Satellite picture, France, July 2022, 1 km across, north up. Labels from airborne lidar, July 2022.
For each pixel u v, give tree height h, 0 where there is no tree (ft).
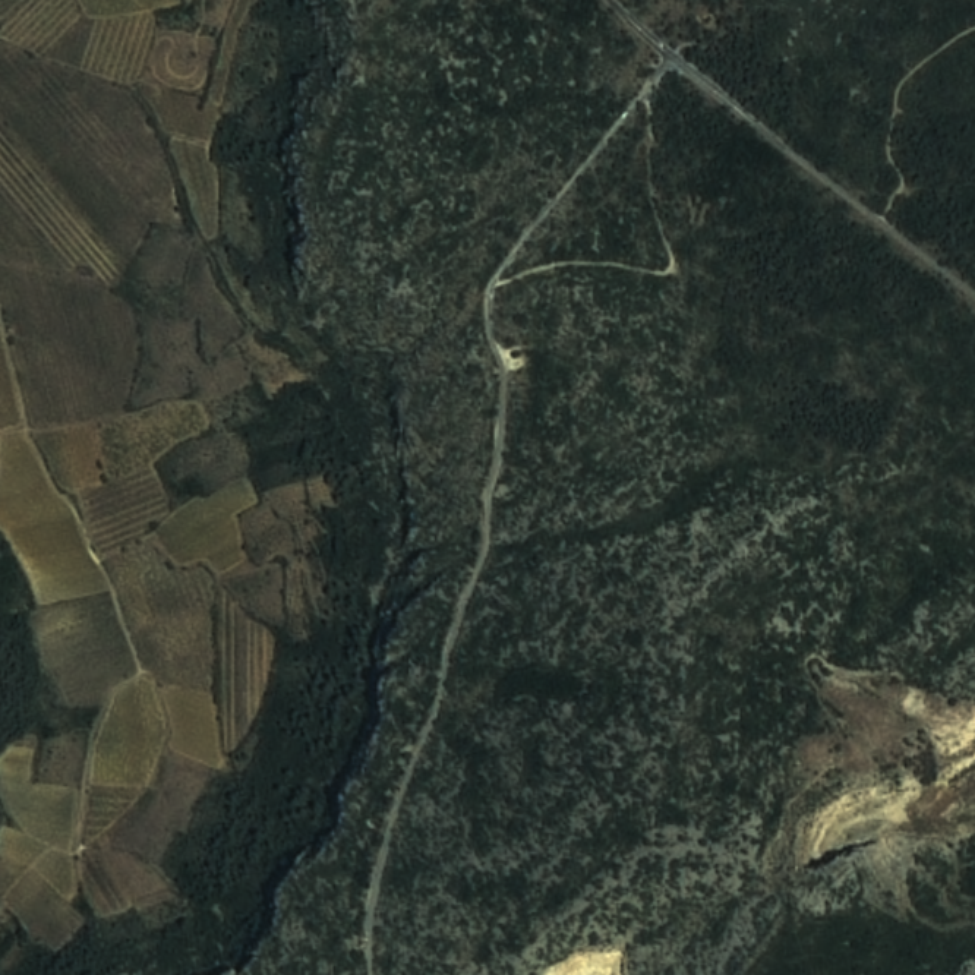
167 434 0
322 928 0
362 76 0
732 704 0
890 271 26
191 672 0
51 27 0
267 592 0
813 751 0
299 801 41
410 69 0
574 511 0
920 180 25
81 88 0
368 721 0
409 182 0
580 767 18
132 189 0
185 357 0
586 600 0
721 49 35
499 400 0
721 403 0
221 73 0
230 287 0
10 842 0
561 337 0
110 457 0
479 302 0
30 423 0
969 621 0
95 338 0
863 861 0
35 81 0
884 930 0
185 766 0
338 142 0
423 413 0
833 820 0
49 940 0
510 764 0
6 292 0
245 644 0
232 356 0
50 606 0
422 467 0
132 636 0
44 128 0
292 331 0
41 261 0
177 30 0
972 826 0
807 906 0
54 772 0
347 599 32
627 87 0
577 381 0
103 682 0
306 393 31
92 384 0
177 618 0
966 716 0
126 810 0
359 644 51
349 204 0
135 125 0
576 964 0
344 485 37
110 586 0
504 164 0
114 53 0
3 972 0
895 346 20
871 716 0
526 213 0
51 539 0
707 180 19
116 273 0
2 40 0
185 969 17
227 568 0
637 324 0
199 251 0
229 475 0
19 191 0
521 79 0
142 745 0
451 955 0
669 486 0
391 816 0
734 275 23
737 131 20
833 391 24
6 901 0
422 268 0
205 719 0
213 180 0
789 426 30
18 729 35
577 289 0
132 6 0
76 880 0
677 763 0
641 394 0
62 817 0
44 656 0
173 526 0
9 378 0
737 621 0
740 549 0
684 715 0
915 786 0
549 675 20
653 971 0
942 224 19
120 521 0
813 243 20
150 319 0
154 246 0
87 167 0
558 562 0
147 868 0
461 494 0
